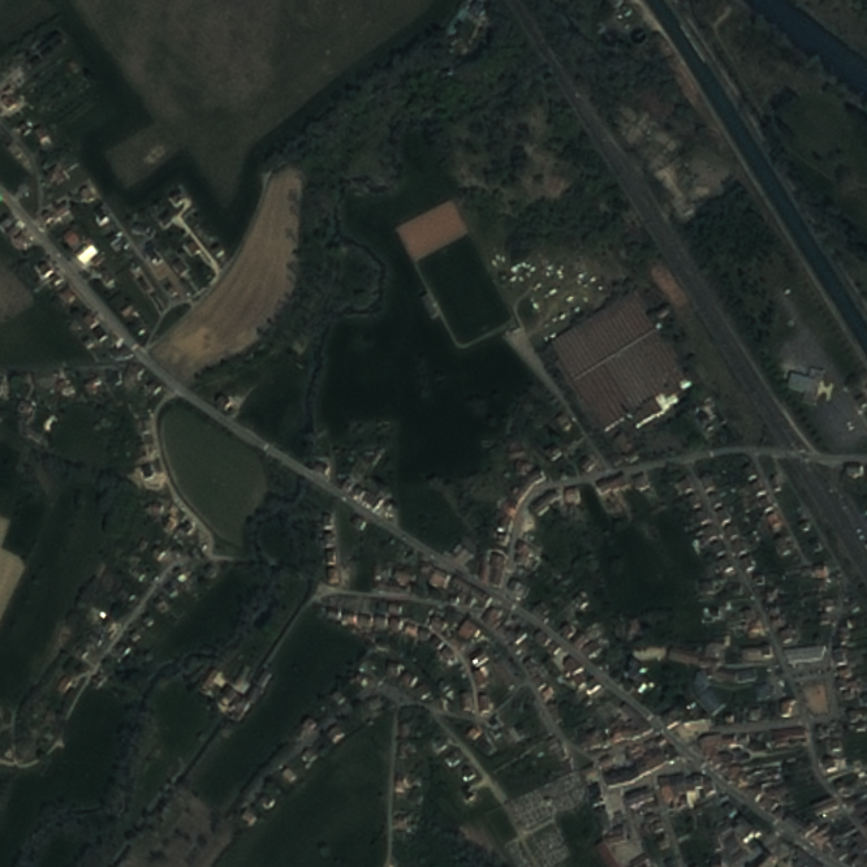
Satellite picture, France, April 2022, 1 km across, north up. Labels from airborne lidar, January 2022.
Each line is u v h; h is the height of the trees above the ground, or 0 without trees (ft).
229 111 0
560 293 0
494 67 73
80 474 39
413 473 0
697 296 0
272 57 0
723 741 0
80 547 0
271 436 0
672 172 0
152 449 0
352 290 0
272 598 60
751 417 0
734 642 0
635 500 0
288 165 68
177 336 0
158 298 0
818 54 0
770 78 0
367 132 112
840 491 0
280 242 0
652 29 0
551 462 22
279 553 0
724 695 0
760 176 0
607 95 62
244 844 0
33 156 0
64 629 28
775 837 0
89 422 0
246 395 0
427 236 0
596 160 26
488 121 0
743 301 0
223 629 0
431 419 0
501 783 0
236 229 0
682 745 0
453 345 0
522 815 0
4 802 60
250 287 0
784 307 0
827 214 78
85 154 0
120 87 0
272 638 75
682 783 0
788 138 88
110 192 0
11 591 0
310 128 34
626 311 0
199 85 0
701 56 0
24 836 0
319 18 0
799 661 0
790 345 0
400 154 79
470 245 0
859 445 0
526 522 0
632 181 0
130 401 0
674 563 0
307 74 0
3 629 0
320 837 0
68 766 0
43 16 0
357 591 0
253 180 0
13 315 0
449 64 85
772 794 0
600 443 18
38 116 0
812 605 0
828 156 0
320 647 0
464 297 0
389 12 0
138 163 0
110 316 0
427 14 0
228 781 0
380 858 0
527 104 113
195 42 0
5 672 0
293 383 0
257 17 0
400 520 0
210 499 0
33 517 0
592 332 0
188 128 0
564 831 0
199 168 0
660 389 0
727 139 0
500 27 62
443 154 128
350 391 0
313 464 24
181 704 0
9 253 0
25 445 0
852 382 29
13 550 0
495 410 0
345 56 0
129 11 0
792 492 0
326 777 0
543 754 0
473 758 0
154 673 22
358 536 0
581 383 0
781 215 0
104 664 30
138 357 0
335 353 0
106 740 0
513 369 0
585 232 31
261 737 0
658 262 32
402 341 0
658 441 0
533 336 0
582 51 79
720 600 31
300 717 0
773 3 0
